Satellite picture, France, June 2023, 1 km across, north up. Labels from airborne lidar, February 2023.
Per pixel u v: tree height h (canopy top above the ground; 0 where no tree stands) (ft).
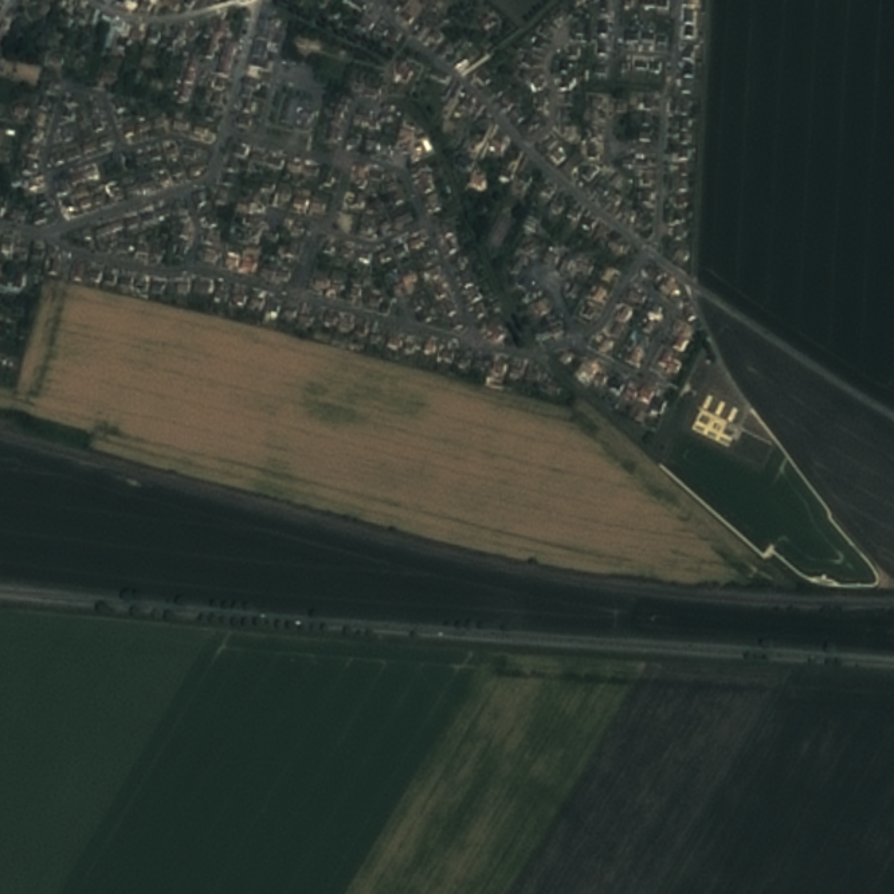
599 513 0
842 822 0
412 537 0
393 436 0
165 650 0
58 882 0
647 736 0
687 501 0
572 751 0
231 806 0
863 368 0
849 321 0
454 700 0
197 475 0
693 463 0
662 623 0
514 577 0
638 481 0
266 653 0
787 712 0
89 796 0
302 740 0
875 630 0
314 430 0
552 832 0
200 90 26
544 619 0
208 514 0
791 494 0
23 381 0
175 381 0
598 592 0
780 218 0
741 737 0
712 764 0
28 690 0
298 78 0
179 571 0
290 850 0
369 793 0
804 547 0
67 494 0
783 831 0
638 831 0
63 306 0
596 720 0
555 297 0
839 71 0
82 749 0
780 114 0
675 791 0
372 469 0
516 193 0
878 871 0
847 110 0
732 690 0
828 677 0
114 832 0
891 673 0
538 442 0
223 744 0
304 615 0
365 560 0
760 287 0
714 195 0
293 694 0
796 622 0
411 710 0
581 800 0
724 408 0
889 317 0
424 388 0
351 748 0
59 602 0
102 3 0
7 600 0
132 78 39
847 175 0
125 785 0
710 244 0
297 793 0
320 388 0
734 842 0
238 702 0
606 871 0
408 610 0
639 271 0
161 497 0
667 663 0
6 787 0
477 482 0
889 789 0
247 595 0
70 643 0
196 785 0
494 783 0
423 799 0
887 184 0
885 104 0
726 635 0
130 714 0
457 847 0
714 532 0
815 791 0
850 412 0
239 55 0
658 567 0
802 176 0
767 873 0
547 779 0
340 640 0
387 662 0
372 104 0
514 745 0
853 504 0
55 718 0
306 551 0
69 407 0
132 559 0
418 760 0
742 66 0
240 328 0
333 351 0
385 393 0
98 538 0
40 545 0
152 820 0
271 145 0
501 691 0
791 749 0
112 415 0
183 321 0
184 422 0
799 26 0
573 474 0
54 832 0
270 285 0
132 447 0
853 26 0
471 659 0
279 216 0
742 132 0
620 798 0
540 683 0
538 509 0
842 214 0
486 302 20
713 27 0
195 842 0
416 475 0
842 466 0
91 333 0
